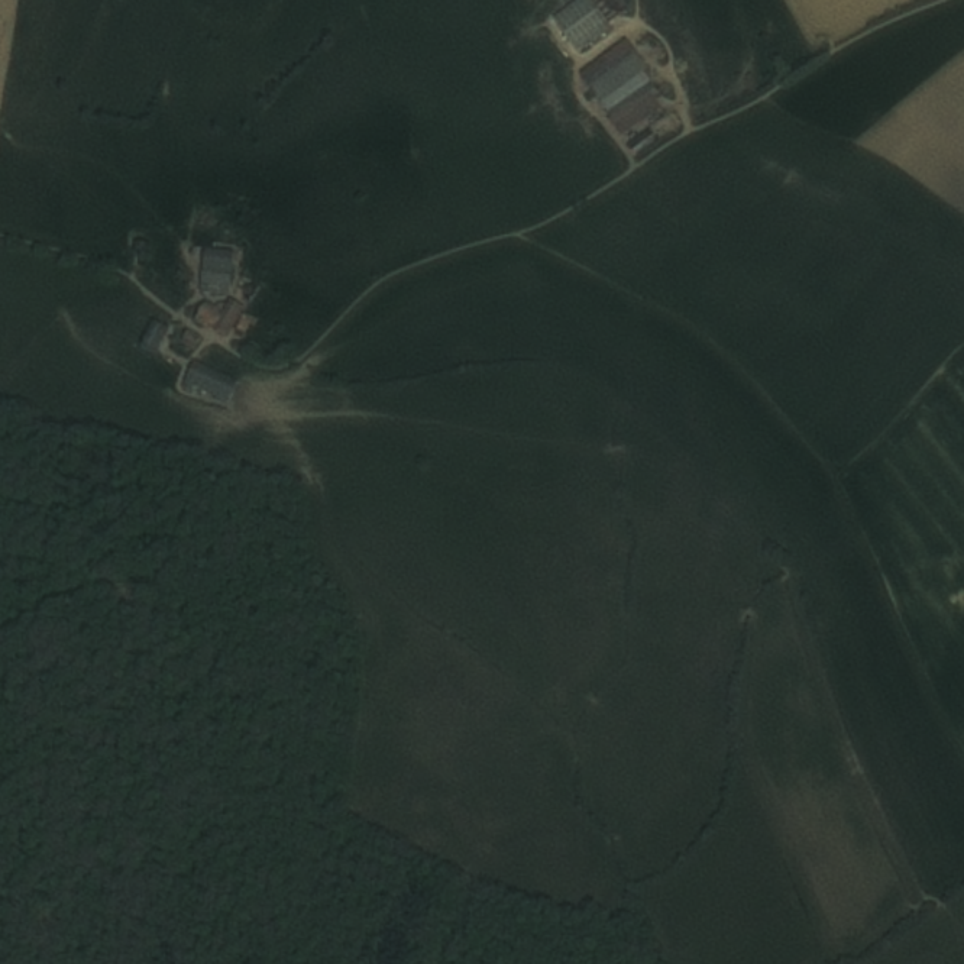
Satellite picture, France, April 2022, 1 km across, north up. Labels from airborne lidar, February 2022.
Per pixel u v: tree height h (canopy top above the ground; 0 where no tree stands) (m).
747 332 0
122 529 29
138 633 26
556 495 0
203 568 25
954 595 0
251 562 23
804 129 0
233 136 0
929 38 0
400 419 0
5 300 0
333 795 12
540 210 0
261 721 26
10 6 0
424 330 0
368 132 0
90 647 25
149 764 30
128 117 6
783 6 0
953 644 0
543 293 0
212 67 0
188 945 23
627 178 0
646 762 0
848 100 0
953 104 0
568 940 23
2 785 21
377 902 18
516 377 0
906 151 0
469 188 0
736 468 0
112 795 22
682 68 0
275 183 0
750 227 0
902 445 0
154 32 0
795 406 0
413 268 0
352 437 0
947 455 0
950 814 0
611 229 0
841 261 0
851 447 0
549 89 0
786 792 0
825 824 0
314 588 26
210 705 25
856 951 0
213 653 25
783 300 0
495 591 0
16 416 30
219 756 26
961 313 0
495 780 0
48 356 0
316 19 0
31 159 0
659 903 0
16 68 0
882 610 0
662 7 0
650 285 0
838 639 0
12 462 26
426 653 0
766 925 0
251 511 27
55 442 25
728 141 0
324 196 0
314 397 0
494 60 0
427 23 0
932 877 0
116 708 17
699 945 0
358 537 0
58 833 31
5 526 27
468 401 0
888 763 0
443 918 25
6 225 0
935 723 0
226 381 0
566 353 0
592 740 0
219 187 0
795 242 0
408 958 17
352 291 0
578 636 0
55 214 0
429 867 22
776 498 0
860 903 0
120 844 21
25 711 28
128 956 29
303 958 20
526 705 0
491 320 0
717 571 0
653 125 0
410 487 0
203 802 27
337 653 24
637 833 0
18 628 16
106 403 0
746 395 0
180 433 0
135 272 7
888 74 0
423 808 0
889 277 0
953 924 0
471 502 0
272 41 0
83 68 0
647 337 0
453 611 0
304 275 0
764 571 0
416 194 0
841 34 0
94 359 0
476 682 0
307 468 0
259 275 0
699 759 0
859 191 0
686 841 0
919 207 0
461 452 0
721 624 0
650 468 0
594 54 0
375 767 0
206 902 25
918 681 0
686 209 0
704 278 0
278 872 22
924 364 0
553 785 0
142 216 0
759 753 0
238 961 18
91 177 0
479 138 0
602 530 0
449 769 0
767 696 0
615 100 0
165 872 20
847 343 0
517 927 22
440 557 0
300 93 0
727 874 0
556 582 0
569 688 0
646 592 0
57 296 0
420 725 0
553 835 0
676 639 0
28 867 18
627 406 0
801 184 0
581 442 0
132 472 26
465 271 0
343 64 0
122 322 0
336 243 0
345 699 26
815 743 0
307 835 24
